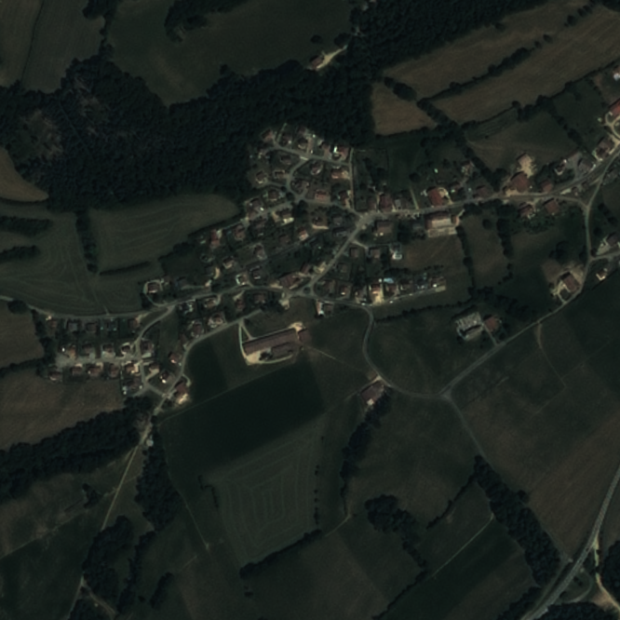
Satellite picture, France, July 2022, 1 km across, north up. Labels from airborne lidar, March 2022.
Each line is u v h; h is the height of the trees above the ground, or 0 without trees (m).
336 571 0
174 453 0
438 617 0
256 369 0
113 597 19
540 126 0
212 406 0
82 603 11
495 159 0
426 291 0
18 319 0
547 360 0
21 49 0
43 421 0
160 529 15
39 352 0
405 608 0
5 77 0
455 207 0
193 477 0
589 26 0
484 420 0
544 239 0
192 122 20
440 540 0
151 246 0
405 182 0
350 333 0
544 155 0
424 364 0
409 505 0
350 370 0
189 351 0
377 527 23
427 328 0
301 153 0
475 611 0
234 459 0
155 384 0
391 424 0
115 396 0
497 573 0
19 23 0
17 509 0
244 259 0
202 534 0
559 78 0
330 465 0
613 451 0
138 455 0
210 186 24
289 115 32
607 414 0
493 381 0
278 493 0
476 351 0
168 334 0
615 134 0
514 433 0
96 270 20
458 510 0
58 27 0
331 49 0
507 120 0
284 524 0
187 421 0
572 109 0
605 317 0
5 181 0
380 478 0
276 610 0
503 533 0
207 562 0
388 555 0
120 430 22
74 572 0
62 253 0
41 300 0
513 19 0
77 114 21
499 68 8
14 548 0
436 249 0
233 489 0
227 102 25
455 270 0
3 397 0
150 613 0
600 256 0
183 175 23
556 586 0
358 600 0
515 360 0
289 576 0
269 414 0
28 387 0
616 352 0
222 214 0
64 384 0
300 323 0
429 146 16
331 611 0
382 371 0
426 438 0
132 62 0
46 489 0
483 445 0
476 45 0
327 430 0
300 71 25
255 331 0
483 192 0
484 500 0
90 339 0
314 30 0
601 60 0
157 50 0
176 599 0
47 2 0
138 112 23
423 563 8
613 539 0
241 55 0
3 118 25
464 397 0
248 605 0
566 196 0
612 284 0
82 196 23
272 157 7
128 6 0
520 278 0
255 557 0
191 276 0
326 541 0
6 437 0
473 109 0
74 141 25
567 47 0
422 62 0
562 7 0
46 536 0
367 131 24
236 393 0
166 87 0
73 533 0
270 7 0
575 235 0
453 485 0
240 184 17
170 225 0
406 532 25
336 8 0
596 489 0
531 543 19
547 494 0
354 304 0
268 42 0
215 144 23
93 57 0
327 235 0
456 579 0
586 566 6
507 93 0
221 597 0
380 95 0
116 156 19
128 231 0
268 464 0
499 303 21
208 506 0
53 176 19
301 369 0
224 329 0
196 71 0
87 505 8
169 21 14
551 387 0
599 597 0
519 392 0
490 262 0
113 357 0
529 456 0
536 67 0
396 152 0
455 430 0
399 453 0
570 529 0
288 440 0
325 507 0
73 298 0
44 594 0
